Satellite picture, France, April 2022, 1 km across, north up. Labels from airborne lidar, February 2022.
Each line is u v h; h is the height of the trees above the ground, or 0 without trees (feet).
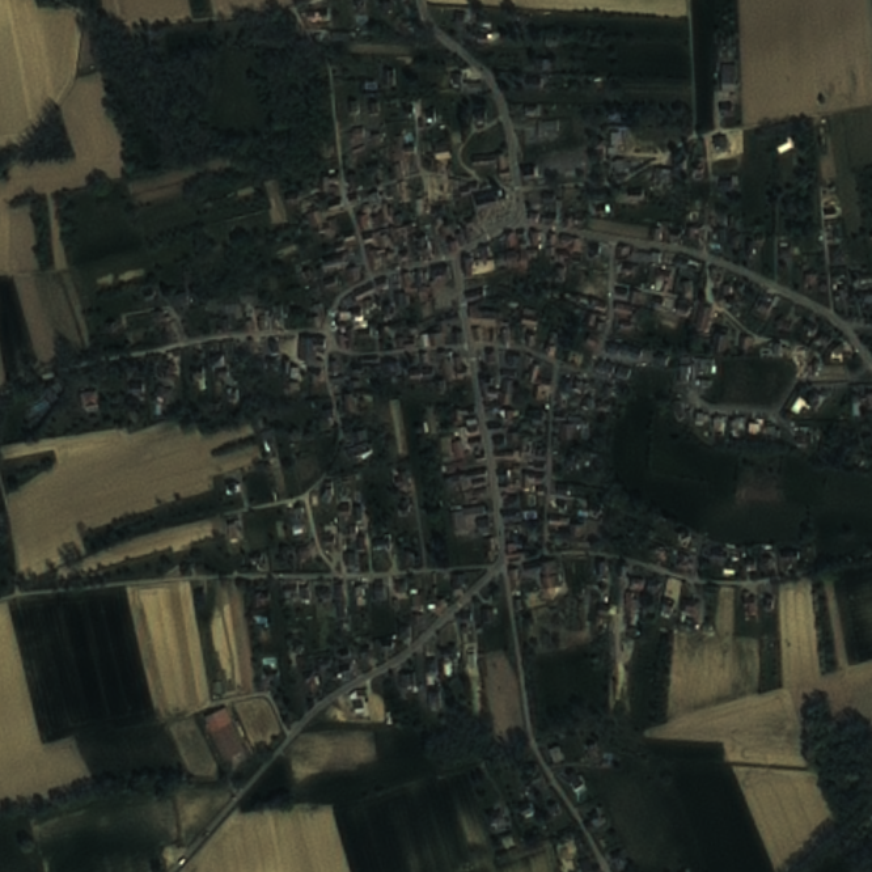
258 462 33
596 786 0
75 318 0
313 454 0
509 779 0
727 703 0
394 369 0
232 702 0
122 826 0
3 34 0
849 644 0
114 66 83
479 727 71
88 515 0
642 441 0
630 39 30
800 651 0
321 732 0
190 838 0
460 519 0
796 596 0
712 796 0
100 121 0
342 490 0
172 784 76
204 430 27
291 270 0
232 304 0
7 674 0
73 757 0
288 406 52
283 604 26
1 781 0
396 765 0
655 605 60
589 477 46
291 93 40
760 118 0
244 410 27
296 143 72
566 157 0
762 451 65
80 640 0
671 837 0
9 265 0
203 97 76
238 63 0
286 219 0
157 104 28
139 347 19
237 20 24
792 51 0
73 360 78
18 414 0
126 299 0
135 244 0
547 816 58
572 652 0
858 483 0
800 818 0
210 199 19
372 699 0
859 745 78
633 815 0
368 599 0
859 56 0
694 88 0
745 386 0
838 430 29
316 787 0
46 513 0
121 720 0
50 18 0
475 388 0
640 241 0
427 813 0
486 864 0
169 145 60
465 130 24
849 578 0
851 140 0
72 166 0
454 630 0
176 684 0
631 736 0
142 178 40
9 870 0
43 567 0
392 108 0
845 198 0
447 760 52
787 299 0
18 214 0
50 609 0
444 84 0
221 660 0
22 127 0
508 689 0
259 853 0
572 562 0
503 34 44
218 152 40
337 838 0
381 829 0
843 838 69
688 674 0
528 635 0
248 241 61
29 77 0
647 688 0
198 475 0
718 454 0
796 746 0
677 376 0
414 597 0
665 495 0
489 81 0
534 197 0
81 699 0
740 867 0
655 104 33
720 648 0
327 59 71
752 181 0
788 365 0
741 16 0
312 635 0
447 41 0
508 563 0
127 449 0
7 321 0
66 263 0
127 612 0
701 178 0
